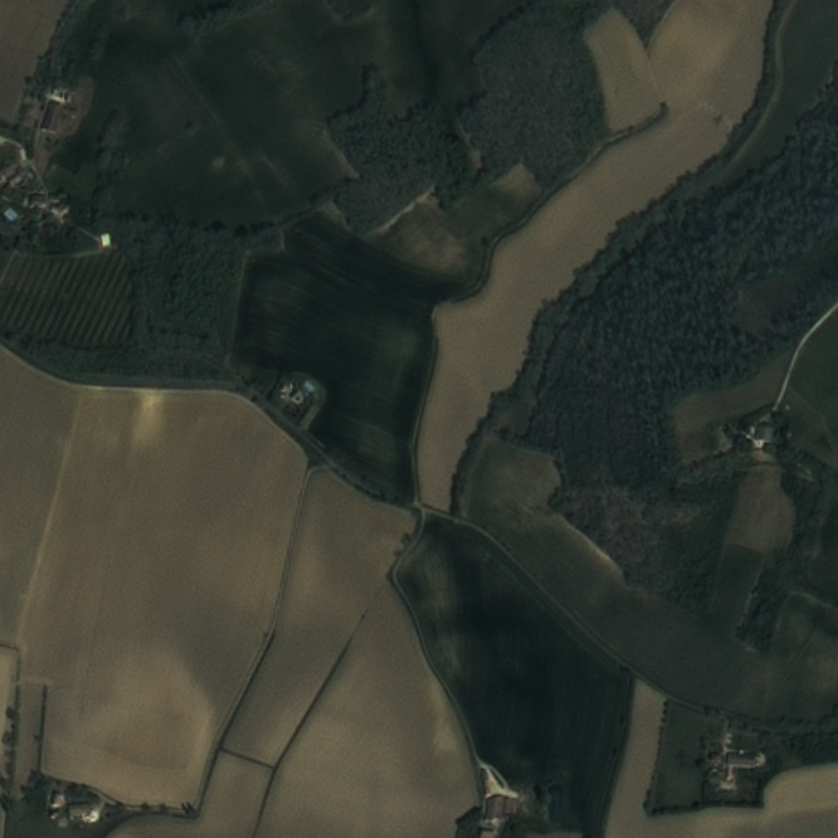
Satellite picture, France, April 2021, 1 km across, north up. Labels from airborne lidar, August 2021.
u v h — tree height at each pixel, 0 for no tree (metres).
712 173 14
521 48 20
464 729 0
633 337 18
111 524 0
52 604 0
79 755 0
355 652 0
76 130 0
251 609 0
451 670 0
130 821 0
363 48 0
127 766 0
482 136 19
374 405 0
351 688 0
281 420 6
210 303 15
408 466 0
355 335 0
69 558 0
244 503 0
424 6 0
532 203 0
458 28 0
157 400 0
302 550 0
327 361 0
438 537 0
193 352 21
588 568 0
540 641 0
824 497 13
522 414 0
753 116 11
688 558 8
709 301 7
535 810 0
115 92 0
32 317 0
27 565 0
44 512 0
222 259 13
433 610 0
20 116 7
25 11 0
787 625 0
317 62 0
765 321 0
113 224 19
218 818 0
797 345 12
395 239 0
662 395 9
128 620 0
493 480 0
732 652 0
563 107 18
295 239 0
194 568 0
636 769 0
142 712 0
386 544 0
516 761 0
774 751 13
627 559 20
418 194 17
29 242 13
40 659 0
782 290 0
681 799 0
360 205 19
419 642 0
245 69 0
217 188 0
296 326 0
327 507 0
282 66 0
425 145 23
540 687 0
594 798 0
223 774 0
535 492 0
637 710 0
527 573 0
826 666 0
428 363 0
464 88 0
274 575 0
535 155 17
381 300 0
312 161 0
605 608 0
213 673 0
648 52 0
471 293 0
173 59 0
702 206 7
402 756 0
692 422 0
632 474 8
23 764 0
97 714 0
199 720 0
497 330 0
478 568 0
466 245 0
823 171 12
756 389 0
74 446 0
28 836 0
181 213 0
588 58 18
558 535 0
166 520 0
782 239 18
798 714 0
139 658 0
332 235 0
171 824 0
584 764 0
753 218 6
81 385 0
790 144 11
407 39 0
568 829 0
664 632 0
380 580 0
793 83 0
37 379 0
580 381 8
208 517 0
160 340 20
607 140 16
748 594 0
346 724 0
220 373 16
